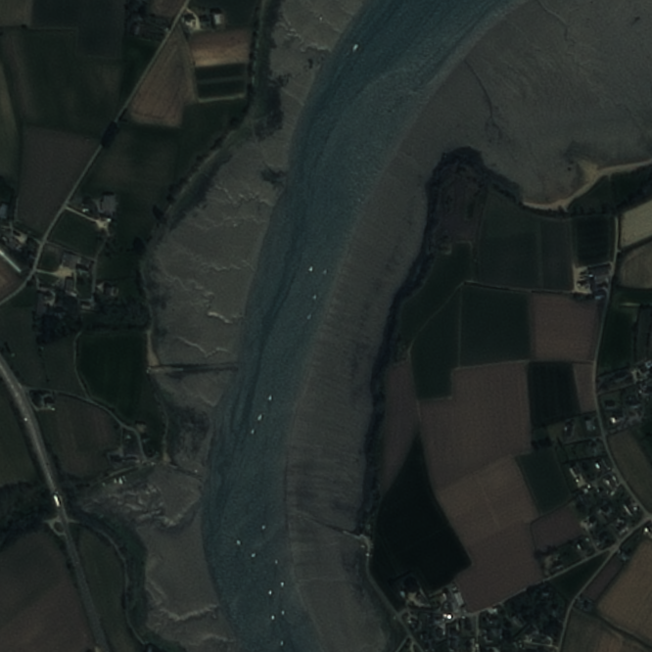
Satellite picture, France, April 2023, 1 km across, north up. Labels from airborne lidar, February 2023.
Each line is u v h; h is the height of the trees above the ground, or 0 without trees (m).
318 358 0
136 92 0
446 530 0
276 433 0
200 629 0
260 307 0
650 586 0
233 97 0
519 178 0
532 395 0
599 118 0
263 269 0
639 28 0
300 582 0
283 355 0
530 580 0
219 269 0
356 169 0
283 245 0
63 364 0
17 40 0
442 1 0
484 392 0
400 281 0
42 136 0
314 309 0
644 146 0
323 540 0
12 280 0
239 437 0
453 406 0
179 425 0
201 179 0
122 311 8
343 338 0
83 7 0
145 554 0
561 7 0
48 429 0
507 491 0
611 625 0
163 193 0
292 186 0
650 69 0
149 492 0
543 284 0
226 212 0
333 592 0
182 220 0
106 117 0
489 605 0
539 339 0
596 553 0
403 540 0
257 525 0
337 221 0
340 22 0
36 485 7
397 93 0
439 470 0
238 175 0
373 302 0
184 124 0
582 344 0
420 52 0
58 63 0
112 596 0
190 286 0
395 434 0
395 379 0
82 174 0
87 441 0
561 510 0
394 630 0
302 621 0
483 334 0
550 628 9
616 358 0
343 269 0
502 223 0
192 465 0
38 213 0
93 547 0
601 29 0
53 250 0
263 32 0
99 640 0
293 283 0
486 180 9
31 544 0
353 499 0
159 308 0
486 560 0
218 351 0
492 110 0
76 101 0
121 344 0
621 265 0
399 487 0
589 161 0
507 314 0
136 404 0
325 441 0
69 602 0
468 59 0
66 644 0
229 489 0
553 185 0
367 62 0
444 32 0
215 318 0
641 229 0
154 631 0
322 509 0
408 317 0
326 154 0
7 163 0
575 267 0
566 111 0
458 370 0
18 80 0
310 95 0
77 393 0
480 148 0
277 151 0
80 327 7
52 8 0
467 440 0
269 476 0
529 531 0
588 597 0
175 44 0
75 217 0
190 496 0
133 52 0
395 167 0
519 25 0
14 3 0
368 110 0
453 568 0
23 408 0
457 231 0
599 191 0
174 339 0
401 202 0
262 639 0
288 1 0
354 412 0
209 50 0
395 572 0
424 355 0
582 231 0
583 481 0
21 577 0
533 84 0
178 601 0
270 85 0
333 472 0
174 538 0
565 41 0
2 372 0
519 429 0
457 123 0
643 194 12
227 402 0
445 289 0
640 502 0
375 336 0
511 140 0
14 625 0
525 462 0
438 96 0
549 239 0
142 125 0
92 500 0
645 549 0
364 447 0
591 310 0
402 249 0
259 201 0
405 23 0
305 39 0
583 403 0
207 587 0
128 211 0
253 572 0
